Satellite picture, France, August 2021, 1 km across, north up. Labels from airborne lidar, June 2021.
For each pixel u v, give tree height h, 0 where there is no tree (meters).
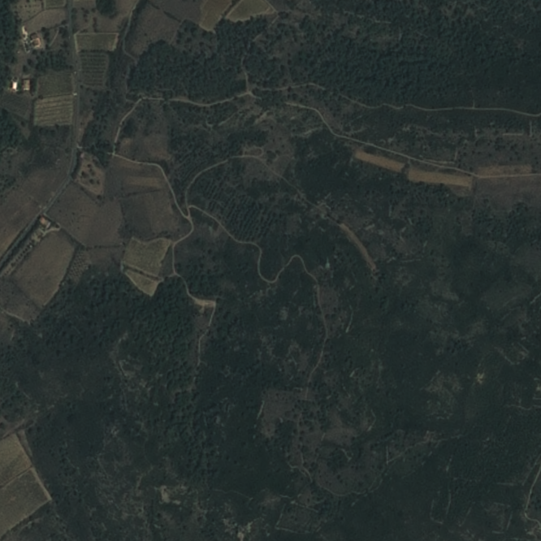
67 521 0
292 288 0
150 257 0
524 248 0
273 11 0
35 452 0
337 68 17
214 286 11
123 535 0
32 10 0
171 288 10
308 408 9
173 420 13
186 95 9
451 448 0
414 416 0
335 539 0
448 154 0
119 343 0
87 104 0
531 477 0
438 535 0
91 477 0
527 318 0
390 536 0
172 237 0
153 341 8
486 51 9
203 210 0
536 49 0
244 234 9
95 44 0
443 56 10
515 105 0
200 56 12
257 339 0
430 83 10
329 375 0
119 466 0
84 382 0
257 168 0
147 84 13
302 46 8
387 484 0
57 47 0
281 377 7
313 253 0
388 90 14
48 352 0
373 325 0
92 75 0
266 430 0
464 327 0
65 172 0
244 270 7
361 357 0
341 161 0
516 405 0
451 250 0
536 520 0
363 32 7
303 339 0
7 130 16
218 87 8
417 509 0
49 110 0
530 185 0
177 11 0
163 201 0
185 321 7
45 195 0
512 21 5
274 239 0
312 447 0
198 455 7
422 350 0
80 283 0
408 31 6
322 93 7
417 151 0
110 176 0
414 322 0
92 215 0
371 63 17
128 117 0
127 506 0
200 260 7
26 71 12
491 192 0
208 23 0
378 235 0
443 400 0
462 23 11
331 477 0
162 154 0
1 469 0
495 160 0
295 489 0
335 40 12
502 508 0
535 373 0
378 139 0
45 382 0
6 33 16
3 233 0
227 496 0
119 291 8
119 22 0
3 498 0
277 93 12
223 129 0
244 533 0
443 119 0
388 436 9
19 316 0
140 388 6
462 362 0
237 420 0
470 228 0
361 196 0
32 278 0
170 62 11
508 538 0
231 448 0
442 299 0
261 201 0
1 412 7
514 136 0
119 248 0
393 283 0
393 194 9
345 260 9
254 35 9
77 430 0
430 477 0
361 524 0
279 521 0
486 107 0
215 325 7
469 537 0
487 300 0
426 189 8
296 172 0
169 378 9
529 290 0
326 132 0
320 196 0
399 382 0
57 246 0
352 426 0
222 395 0
